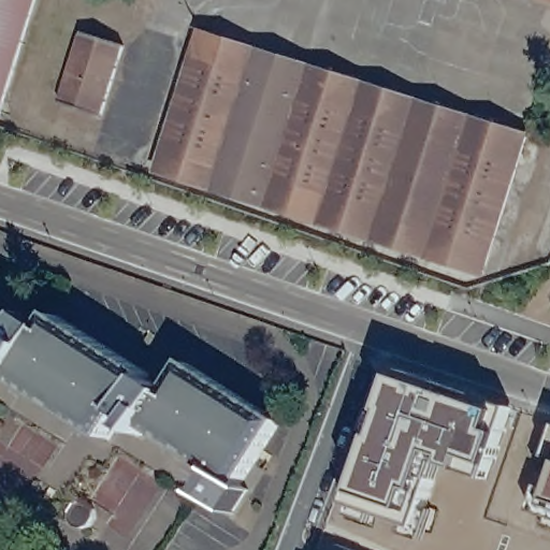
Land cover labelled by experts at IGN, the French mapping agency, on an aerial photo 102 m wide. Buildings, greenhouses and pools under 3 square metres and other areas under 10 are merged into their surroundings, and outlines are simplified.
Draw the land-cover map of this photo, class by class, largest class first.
<instances>
[{"label":"impervious surface","instance_id":"1","mask_svg":"<svg viewBox=\"0 0 550 550\"><path fill-rule=\"evenodd\" d=\"M142 9L150 13L146 24L148 30H142L138 39L125 49L105 114L95 146V153L99 155L97 161L99 172H88L73 163H54L47 155L19 146L4 148L0 159V312L11 314L19 322H24L32 309L52 314L62 322L71 324L73 329L82 331L84 335L92 337L101 346L110 348L114 354L127 359L146 376H157V372L168 359H178L200 370L215 382L223 385L241 400L249 402L264 417L266 406L262 400L258 376L249 372L241 361L254 344H271V348L277 350L273 354V363L284 367L299 389H305V406L299 421L294 425H277L275 434L264 447L266 453H271V458L256 462V466L245 477V488L251 494V509L256 511L254 526L247 531L236 526L230 520V511L215 507L213 513H208L193 505L191 516L174 533L170 550H256L269 524H273V507L281 494L286 473L303 440L307 421L312 417V408L318 400V391L327 378V367L333 361V357H339L344 363L337 372L333 391L327 400L318 434L307 453L299 488L290 501L286 520L281 524V531L277 533L273 550H395L391 546L365 537L361 533V526L348 522H327L335 501L339 475L344 471L352 438L361 430L365 417V402L372 382L378 374L428 389L438 395L466 402L471 406H509L511 413H522L524 417L533 419L529 451L537 449L544 425L550 423V367L546 370L535 365V352L541 348V344L550 346V277L539 286L537 294L529 299L522 312L492 305L481 299H468L464 294H443L419 286L400 284L393 275L387 273H367L361 264L354 262L329 256L320 249H312L303 243L279 241L275 234L262 232L256 226L230 221L206 211H196L172 198L140 191L127 183L112 180L110 176L114 172L127 170L131 174L146 176L157 183H165L174 189H183L185 196L213 200L215 196L208 191L187 187L172 178H159L148 172V168L153 165L150 157L157 155L159 148L163 125L180 77V69L185 64L193 32L198 28L522 131L524 120H529V114L533 112L529 105L533 103V69L550 67V0H146ZM24 165H30L34 170L30 172L21 189L19 185L9 183V170L19 172ZM103 191L120 198L114 217H103L90 208V204L99 200ZM30 269L45 273L71 277V290L60 292L52 288L39 286L28 296H19L6 286L9 275L15 277ZM292 333L309 339V352L305 357H301L296 348L290 344ZM520 202L518 217L513 219V223H507V232L503 236L498 234V245L490 260L492 273L475 279L468 271L455 266L438 264L425 258H419L417 262L400 258V254L391 245H376L370 238H363V243L357 245L342 236L327 234V226L320 223H314V228H309L286 217L264 215L230 198H219L217 202L275 221L284 228L318 236L327 243L354 249L359 254L380 262L400 264L423 275L462 288L486 284L501 277V284H513L518 271L539 266L544 262L550 264V146H537L533 176L524 185V189L516 193ZM49 410L43 406L41 400L30 397L26 391H17V385L6 382L0 376V498H19L28 492L30 486L41 488L47 496H56L62 481H67L73 471L82 473L86 468V462L101 460L112 445L138 447L142 451L138 464L144 466V475L131 471L125 462H116L112 475L101 486L99 494L90 498L82 490L77 496V505L69 511V520L49 529L58 537V550H153L155 544L161 539L163 531L168 529V524L174 520L176 509L185 501L183 496H178L176 490L161 488L155 479V471H168L174 479L180 481L193 475L191 464H187L185 455L176 453L174 447L155 440L153 434L142 432L135 438L129 434H116L112 440L92 438L90 425H77L71 419H49Z\"/></svg>","mask_w":550,"mask_h":550},{"label":"building","instance_id":"2","mask_svg":"<svg viewBox=\"0 0 550 550\"><path fill-rule=\"evenodd\" d=\"M37 11L34 0H0V118L6 110V97ZM71 32L75 34V43L64 71V79L60 88L54 86L56 103L75 107L86 114H105L125 49L118 43L79 32L73 26ZM537 146L522 131L198 28L193 32L185 64L180 69V77L163 125L159 148L157 155L150 157L153 165L148 168V172L159 178H172L187 187L208 191L215 196L213 200L217 202L219 198H230L264 215L286 217L309 228H314V223H320L327 226V234L342 236L357 245L363 243V238H370L376 245H391L400 254V258L417 262L419 258H425L438 264L455 266L468 271L475 279L492 273L490 260L498 245V234L503 236L507 232V223H513V219L518 217L520 202L516 193L524 189V185L533 176ZM0 376L6 382L17 385V391H26L30 397L41 400L43 406L49 410V419H71L77 425H90L92 438L112 440L116 434H129L135 438L142 432L153 434L155 440L174 447L176 453L185 455L187 464H191L193 475L180 481L176 490L178 496H183L185 501L193 505L208 513H213L215 507L230 511L241 490L245 488V477L256 466V462L271 458V453H266L264 447L275 434L277 425L264 417L249 402L241 400L223 385L215 382L200 370L178 359H168L157 372V376H146L127 359L114 354L110 348L101 346L92 337L84 335L82 331L73 329L71 324L62 322L52 314L32 309L24 322H19L11 314L0 312ZM511 413L509 406H471L466 402L438 395L428 389L378 374L372 382L365 402V417L361 430L352 438L344 471L339 475L335 501L354 503V507L359 509L395 520L400 533H410V539H423L428 526L434 520V511H438V505L430 503L428 498L432 496L434 481L440 477V471L451 464L453 468L471 473L473 481L490 479L492 464L498 462L503 455L501 438L507 434L505 423ZM529 458H537L544 466L537 483L526 486L524 496L529 498V509H535V513L541 516V522L550 526V423L544 425L537 449L529 451Z\"/></svg>","mask_w":550,"mask_h":550},{"label":"herbaceous vegetation","instance_id":"3","mask_svg":"<svg viewBox=\"0 0 550 550\"><path fill-rule=\"evenodd\" d=\"M37 11L6 97V110L0 118V127L17 140H34L49 148H58L67 155H82L84 159L97 161L99 155L95 153V146L105 114H86L75 107L56 103L54 86L60 88L64 79V71L75 43V34L71 32L73 26L79 32L118 43L125 49L138 39L142 30H148L146 24L150 13L142 9L146 0H34ZM507 434L501 438L503 455L498 462L492 464L490 479L473 481L471 473L453 468L451 464L440 471V477L434 481L432 496L428 498L430 503L438 505V511H434V520L428 526L423 539H410V533H400L395 520L359 509L354 507V503L335 501L327 522H348L361 526V533L365 537L391 546L395 550H550V526L541 522V516L535 513V509H529V498L524 496L526 486L537 483L544 466L537 458H529V451L533 419L524 417L522 413H511L505 423ZM230 520L236 526L247 531L254 526L256 511L251 509V494L245 488L241 490L230 511Z\"/></svg>","mask_w":550,"mask_h":550},{"label":"brushwood","instance_id":"4","mask_svg":"<svg viewBox=\"0 0 550 550\"><path fill-rule=\"evenodd\" d=\"M19 146L47 155L54 163H73L88 172H99L97 161L84 159L82 155H67L58 148H49L34 140H17L0 127V159L4 148ZM112 180L127 183L140 191L172 198L196 211H206L230 221L256 226L262 232L275 234L279 241L303 243L312 249H320L329 256L354 262L359 254L354 249L327 243L318 236L284 228L275 221L217 202L213 200L185 196L183 189H174L165 183H157L146 176L131 174L127 170L114 172L110 176ZM419 286L443 294H464L468 299H481L486 284L462 288L423 275ZM344 363L339 357H333V361L327 367V378L318 391V400L312 408V417L307 421L303 440L286 473L281 494L273 507V524H269L256 550H273L277 533L281 531V524L286 520L290 501L299 488L307 453L318 434L327 400L333 391L337 372ZM142 451L138 447L112 445L101 460L86 462V468L82 473L73 471L67 481H62L56 496H47L41 488L30 486L28 492L19 498L26 507H30L34 520L49 529L69 520V511L77 505V496L82 490L90 498L99 494L101 486L112 475L116 462H125L131 471L144 475V466L138 464ZM155 479L161 488L176 490L180 481L174 479L168 471H155ZM193 505L185 501L176 509L174 520L168 524V529L163 531L161 539L155 544L153 550H170L174 533L191 516Z\"/></svg>","mask_w":550,"mask_h":550},{"label":"deciduous trees","instance_id":"5","mask_svg":"<svg viewBox=\"0 0 550 550\"><path fill-rule=\"evenodd\" d=\"M533 112L529 114V120H524L522 131L537 146H550V67L533 69V103L529 105ZM34 170L30 165H24L19 172L9 170V183L19 185L21 189L30 172ZM120 198L103 191L99 200L90 204V208L103 217H114ZM354 262L361 264L367 273H387L393 275L400 284L419 286L423 275L400 264L380 262L359 254ZM550 277V264L544 262L539 266L518 271L513 284H501V277L486 284L481 299L492 305L522 312L529 299L537 294L539 286ZM52 288L60 292L71 290V277L45 273ZM290 344L296 348L301 357H305L309 352V339L292 333ZM277 350L271 348V344H254L241 361L249 372L258 376L262 400L266 406L264 417L277 425H294L299 421L305 406V389H299L284 367L273 363V354ZM535 365L546 370L550 367V346L541 344V348L535 352ZM0 550H58V537L49 529L34 520L30 507H26L19 498H0Z\"/></svg>","mask_w":550,"mask_h":550},{"label":"coniferous trees","instance_id":"6","mask_svg":"<svg viewBox=\"0 0 550 550\"><path fill-rule=\"evenodd\" d=\"M6 286L19 296H28L39 286L52 288L45 273L30 269L15 277L9 275Z\"/></svg>","mask_w":550,"mask_h":550}]
</instances>
